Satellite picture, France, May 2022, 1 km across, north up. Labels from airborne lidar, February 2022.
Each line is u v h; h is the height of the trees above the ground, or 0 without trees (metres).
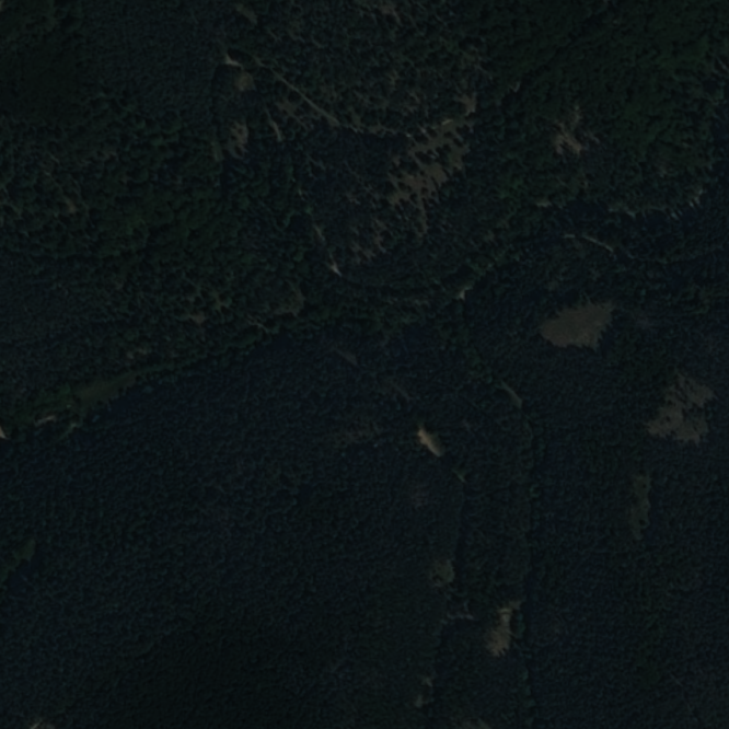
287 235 23
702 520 26
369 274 26
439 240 31
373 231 21
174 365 13
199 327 23
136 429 26
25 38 8
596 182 24
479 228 29
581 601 37
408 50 13
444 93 10
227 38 24
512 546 39
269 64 16
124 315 31
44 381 31
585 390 23
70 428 13
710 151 11
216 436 34
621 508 22
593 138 0
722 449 18
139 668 26
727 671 28
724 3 31
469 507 34
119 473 32
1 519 34
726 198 8
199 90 25
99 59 26
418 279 24
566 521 24
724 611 28
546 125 28
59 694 36
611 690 26
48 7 10
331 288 27
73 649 32
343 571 31
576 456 29
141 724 25
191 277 31
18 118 9
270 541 28
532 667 29
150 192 27
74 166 30
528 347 18
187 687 27
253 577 32
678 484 26
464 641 22
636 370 19
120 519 22
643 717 25
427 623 22
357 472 30
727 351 22
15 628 37
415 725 23
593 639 25
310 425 33
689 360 26
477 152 34
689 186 7
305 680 26
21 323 24
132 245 20
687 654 25
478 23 26
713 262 10
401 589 22
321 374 39
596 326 0
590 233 34
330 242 24
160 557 27
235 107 26
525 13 33
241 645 27
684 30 32
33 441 28
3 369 32
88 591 36
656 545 28
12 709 35
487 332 20
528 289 9
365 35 28
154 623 37
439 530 23
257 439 34
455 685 27
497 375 18
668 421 0
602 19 29
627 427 22
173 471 29
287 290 34
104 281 28
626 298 18
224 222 31
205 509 31
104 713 29
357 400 35
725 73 30
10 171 22
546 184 24
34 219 28
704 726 25
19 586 35
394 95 8
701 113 38
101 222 30
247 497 30
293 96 27
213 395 38
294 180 22
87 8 26
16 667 35
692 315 8
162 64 22
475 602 28
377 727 23
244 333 25
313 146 28
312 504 26
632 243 36
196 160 32
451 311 35
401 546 23
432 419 26
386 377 30
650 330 18
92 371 36
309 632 29
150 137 31
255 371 30
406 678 22
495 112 24
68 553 31
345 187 36
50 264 30
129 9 26
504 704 29
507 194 27
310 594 38
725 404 21
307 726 29
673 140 32
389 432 34
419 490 23
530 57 22
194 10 29
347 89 7
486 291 26
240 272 29
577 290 8
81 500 29
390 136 9
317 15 27
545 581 25
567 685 27
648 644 22
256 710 27
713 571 21
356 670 24
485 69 27
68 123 19
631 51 24
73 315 27
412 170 28
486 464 28
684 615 24
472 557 32
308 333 24
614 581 22
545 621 27
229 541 29
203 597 25
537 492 20
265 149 30
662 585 25
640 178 13
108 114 32
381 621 22
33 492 30
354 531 31
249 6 25
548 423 24
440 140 0
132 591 32
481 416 21
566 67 29
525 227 28
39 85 10
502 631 0
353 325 30
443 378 29
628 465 24
